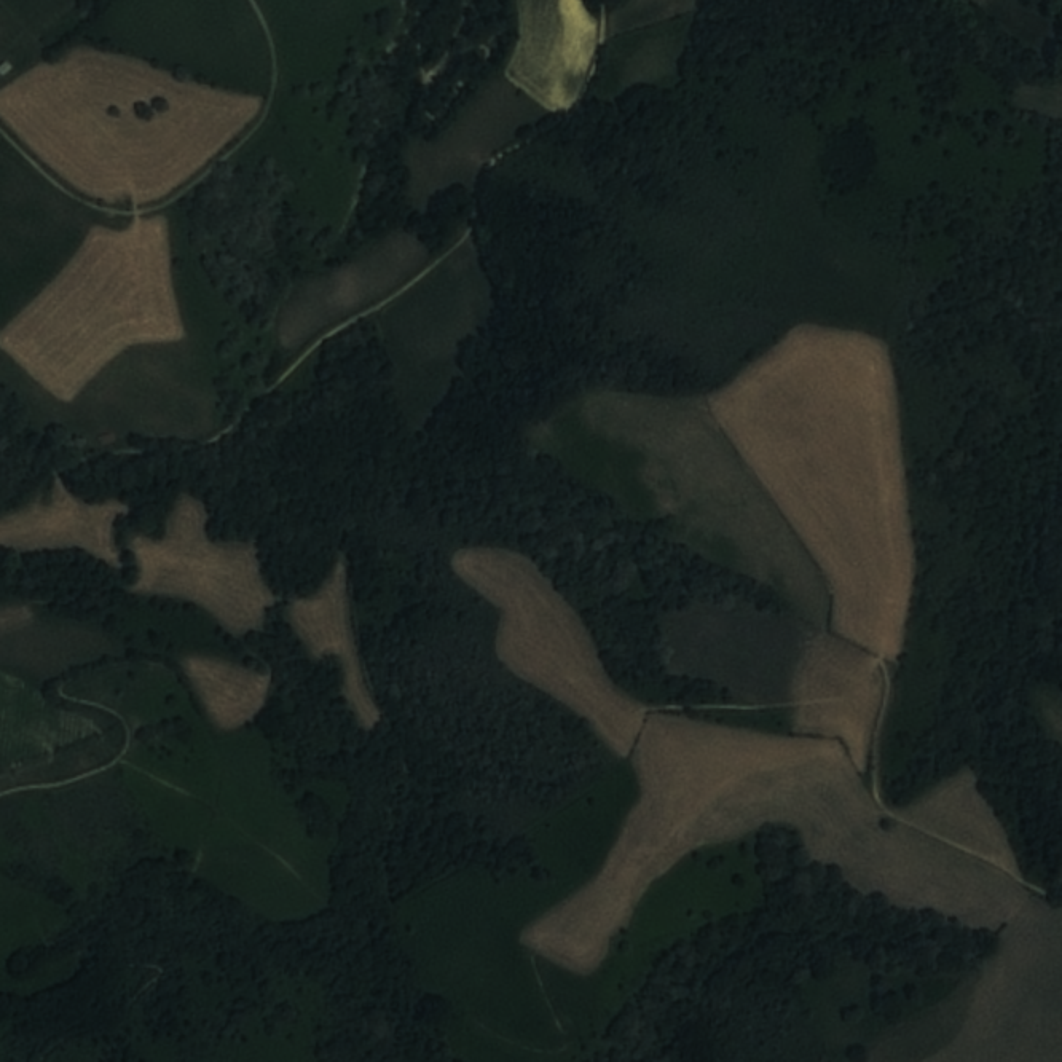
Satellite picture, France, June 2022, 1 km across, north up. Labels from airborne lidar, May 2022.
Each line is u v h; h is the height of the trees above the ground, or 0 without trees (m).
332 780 5
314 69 0
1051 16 16
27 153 0
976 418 16
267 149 0
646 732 0
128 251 0
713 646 0
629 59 0
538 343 29
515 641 0
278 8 0
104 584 19
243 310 9
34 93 0
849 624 0
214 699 0
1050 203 8
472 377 9
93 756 0
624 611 18
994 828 0
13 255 0
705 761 0
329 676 16
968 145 0
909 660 10
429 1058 14
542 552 14
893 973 11
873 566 0
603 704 0
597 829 0
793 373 0
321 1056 13
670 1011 21
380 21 14
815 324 0
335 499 11
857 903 14
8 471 11
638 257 8
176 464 17
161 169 0
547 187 8
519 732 10
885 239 6
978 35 18
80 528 0
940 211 10
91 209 0
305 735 15
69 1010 20
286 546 15
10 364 0
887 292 0
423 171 0
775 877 18
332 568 14
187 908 6
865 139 12
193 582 0
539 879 13
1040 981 0
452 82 17
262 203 19
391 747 9
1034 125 10
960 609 13
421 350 0
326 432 22
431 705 14
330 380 20
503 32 16
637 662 6
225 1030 7
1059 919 0
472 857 15
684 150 6
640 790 0
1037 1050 0
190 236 7
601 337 9
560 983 0
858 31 19
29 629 0
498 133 0
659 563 21
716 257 0
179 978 9
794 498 0
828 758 0
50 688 11
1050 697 0
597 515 27
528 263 24
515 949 0
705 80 11
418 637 9
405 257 0
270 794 0
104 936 14
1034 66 25
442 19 20
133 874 11
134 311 0
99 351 0
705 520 0
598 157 22
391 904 7
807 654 0
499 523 11
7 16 0
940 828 0
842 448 0
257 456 19
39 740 0
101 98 0
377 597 9
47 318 0
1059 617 22
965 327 15
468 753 7
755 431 0
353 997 14
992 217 8
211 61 0
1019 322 20
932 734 13
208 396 0
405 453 16
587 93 6
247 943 12
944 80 11
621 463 0
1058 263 22
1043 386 14
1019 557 20
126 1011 10
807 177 0
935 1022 0
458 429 23
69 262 0
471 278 0
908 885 0
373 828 9
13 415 26
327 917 12
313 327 0
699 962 12
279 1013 6
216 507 17
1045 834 24
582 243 15
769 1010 8
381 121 22
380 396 16
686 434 0
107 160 0
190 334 0
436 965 0
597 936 0
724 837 0
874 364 0
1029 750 20
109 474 17
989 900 0
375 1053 14
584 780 7
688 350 6
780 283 0
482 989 0
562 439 0
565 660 0
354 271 0
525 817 0
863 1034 0
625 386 7
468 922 0
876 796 0
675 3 0
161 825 0
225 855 0
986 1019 0
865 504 0
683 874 0
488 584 0
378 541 7
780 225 0
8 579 23
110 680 0
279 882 0
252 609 0
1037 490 11
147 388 0
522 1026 0
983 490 17
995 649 20
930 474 12
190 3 0
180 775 0
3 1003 19
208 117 0
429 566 11
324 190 0
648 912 0
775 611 8
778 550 0
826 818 0
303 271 12
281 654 10
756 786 0
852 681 0
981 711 22
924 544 7
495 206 21
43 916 0
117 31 0
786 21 13
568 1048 0
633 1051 20
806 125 0
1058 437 22
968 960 19
